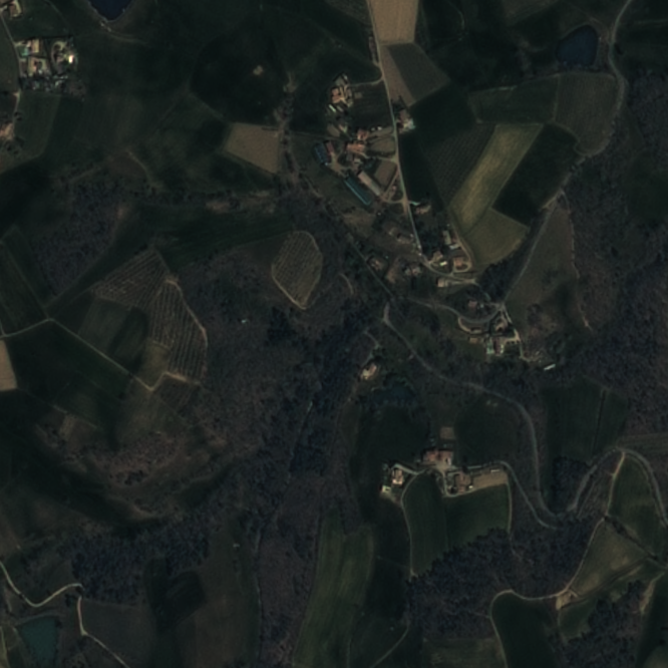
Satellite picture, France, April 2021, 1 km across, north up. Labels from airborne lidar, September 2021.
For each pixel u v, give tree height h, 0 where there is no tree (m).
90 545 21
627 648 9
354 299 8
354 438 0
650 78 16
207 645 0
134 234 0
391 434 0
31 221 0
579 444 0
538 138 0
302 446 12
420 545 0
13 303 0
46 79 9
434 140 0
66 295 0
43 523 0
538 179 0
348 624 0
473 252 0
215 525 14
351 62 0
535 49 0
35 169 0
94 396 0
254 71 0
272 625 10
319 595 0
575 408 0
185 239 0
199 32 0
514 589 11
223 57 0
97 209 7
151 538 19
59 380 0
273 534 11
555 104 0
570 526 11
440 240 7
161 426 0
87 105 0
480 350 0
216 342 10
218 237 0
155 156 0
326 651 0
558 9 0
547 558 11
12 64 0
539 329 11
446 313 0
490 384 11
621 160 14
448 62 0
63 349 0
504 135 0
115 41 0
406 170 0
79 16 0
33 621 0
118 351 0
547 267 0
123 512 0
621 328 14
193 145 0
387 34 0
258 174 0
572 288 0
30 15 0
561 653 9
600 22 0
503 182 0
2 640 0
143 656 0
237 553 0
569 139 0
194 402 6
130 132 0
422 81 0
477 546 10
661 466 6
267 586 9
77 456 11
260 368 15
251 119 0
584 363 10
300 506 6
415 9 0
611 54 0
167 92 0
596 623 12
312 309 7
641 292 16
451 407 0
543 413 7
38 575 11
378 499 0
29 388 0
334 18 0
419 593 15
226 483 19
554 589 7
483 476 0
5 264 0
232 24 0
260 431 15
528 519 9
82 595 12
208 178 0
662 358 19
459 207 0
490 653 0
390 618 0
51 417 0
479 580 16
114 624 0
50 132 0
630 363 8
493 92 0
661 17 0
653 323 10
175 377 0
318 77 0
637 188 0
